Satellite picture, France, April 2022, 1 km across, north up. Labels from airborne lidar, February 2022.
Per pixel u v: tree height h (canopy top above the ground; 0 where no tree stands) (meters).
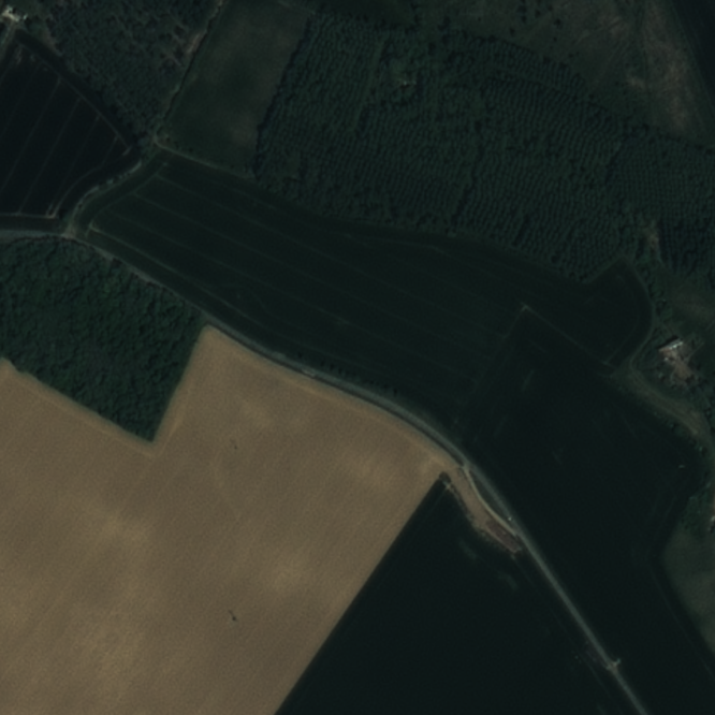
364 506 0
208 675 0
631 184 27
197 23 31
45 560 0
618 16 0
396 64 24
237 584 0
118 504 0
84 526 0
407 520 0
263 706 0
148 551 0
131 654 0
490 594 0
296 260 0
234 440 0
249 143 0
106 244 0
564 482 0
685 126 0
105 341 22
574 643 0
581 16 0
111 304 23
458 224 22
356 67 20
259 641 0
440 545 0
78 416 0
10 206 0
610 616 0
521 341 0
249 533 0
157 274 0
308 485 0
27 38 0
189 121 0
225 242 0
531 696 0
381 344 0
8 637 0
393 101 12
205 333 0
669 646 0
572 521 0
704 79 0
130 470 0
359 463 0
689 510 6
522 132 25
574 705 0
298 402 0
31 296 17
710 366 0
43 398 0
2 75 0
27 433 0
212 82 0
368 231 0
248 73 0
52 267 23
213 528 0
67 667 0
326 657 0
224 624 0
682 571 0
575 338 0
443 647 0
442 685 0
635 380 0
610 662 0
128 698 0
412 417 0
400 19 0
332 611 0
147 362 22
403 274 0
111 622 0
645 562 0
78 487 0
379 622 0
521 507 0
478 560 0
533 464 0
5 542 0
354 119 27
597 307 0
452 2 0
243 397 0
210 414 0
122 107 32
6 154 0
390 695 0
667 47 0
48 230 0
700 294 0
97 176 0
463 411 0
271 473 0
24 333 22
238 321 0
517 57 23
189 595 0
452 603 0
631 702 0
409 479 0
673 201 26
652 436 0
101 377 22
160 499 0
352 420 0
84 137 0
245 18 0
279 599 0
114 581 0
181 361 14
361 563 0
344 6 0
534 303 0
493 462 0
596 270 24
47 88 0
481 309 0
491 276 0
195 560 0
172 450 0
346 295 0
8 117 0
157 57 30
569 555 0
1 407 0
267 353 0
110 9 29
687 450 0
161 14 32
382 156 27
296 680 0
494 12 0
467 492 0
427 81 24
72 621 0
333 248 0
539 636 0
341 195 23
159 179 0
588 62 0
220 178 0
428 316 0
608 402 0
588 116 24
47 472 0
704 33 0
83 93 0
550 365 0
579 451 0
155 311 26
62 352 22
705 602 0
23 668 0
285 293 0
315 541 0
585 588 0
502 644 0
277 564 0
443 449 0
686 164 28
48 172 0
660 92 0
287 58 0
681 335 0
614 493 0
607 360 0
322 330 0
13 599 0
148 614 0
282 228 0
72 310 21
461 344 0
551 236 22
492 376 0
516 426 0
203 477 0
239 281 0
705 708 0
